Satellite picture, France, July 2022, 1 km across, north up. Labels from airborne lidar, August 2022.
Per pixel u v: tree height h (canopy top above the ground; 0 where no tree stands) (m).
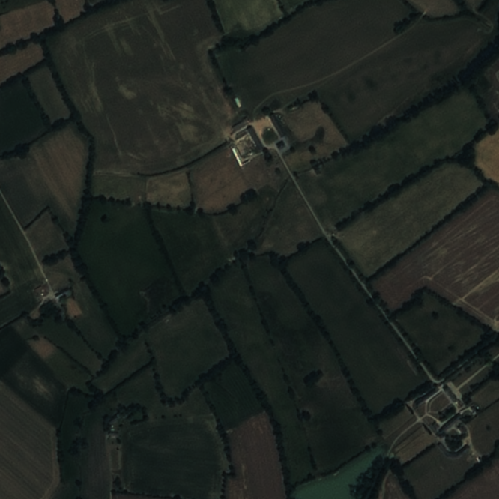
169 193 0
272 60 0
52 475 0
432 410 0
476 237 0
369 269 0
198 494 0
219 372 11
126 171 0
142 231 0
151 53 0
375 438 0
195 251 0
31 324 8
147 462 0
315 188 0
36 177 0
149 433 0
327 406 0
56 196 0
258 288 0
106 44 0
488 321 0
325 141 0
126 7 0
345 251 8
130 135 0
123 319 0
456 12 0
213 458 0
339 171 0
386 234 0
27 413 0
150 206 13
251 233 0
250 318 0
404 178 0
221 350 0
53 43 0
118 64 0
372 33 0
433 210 0
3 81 0
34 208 0
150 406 0
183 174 0
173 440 0
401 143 0
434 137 0
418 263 0
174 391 0
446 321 0
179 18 0
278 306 0
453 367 13
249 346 0
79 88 0
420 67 0
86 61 0
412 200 0
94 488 0
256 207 0
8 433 0
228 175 0
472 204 11
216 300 0
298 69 0
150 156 0
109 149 0
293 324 0
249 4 0
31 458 0
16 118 0
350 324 0
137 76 0
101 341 0
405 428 0
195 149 0
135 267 0
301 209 0
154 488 0
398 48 0
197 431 0
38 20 0
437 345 0
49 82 0
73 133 0
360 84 0
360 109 0
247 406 0
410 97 0
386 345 0
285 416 0
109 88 0
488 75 0
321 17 0
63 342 0
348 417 0
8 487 0
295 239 0
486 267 0
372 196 0
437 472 0
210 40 0
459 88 30
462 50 0
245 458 0
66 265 0
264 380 0
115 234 0
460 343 0
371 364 0
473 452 0
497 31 0
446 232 0
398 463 14
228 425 0
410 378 0
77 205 0
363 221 0
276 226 0
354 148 18
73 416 0
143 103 0
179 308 18
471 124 0
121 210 0
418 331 0
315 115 0
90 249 0
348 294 0
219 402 0
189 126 0
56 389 0
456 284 0
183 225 0
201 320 0
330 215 0
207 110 0
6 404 0
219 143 0
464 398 7
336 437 0
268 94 0
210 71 0
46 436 0
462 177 0
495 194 0
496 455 5
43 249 0
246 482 0
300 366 0
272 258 16
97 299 6
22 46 17
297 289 14
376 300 21
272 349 0
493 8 0
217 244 0
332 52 0
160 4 0
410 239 0
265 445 0
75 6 0
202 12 0
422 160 0
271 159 19
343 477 0
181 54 0
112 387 0
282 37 0
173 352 0
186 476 0
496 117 0
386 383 0
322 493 0
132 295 0
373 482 25
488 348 17
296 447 0
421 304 20
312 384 13
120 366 0
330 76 0
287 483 15
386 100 0
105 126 0
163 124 0
